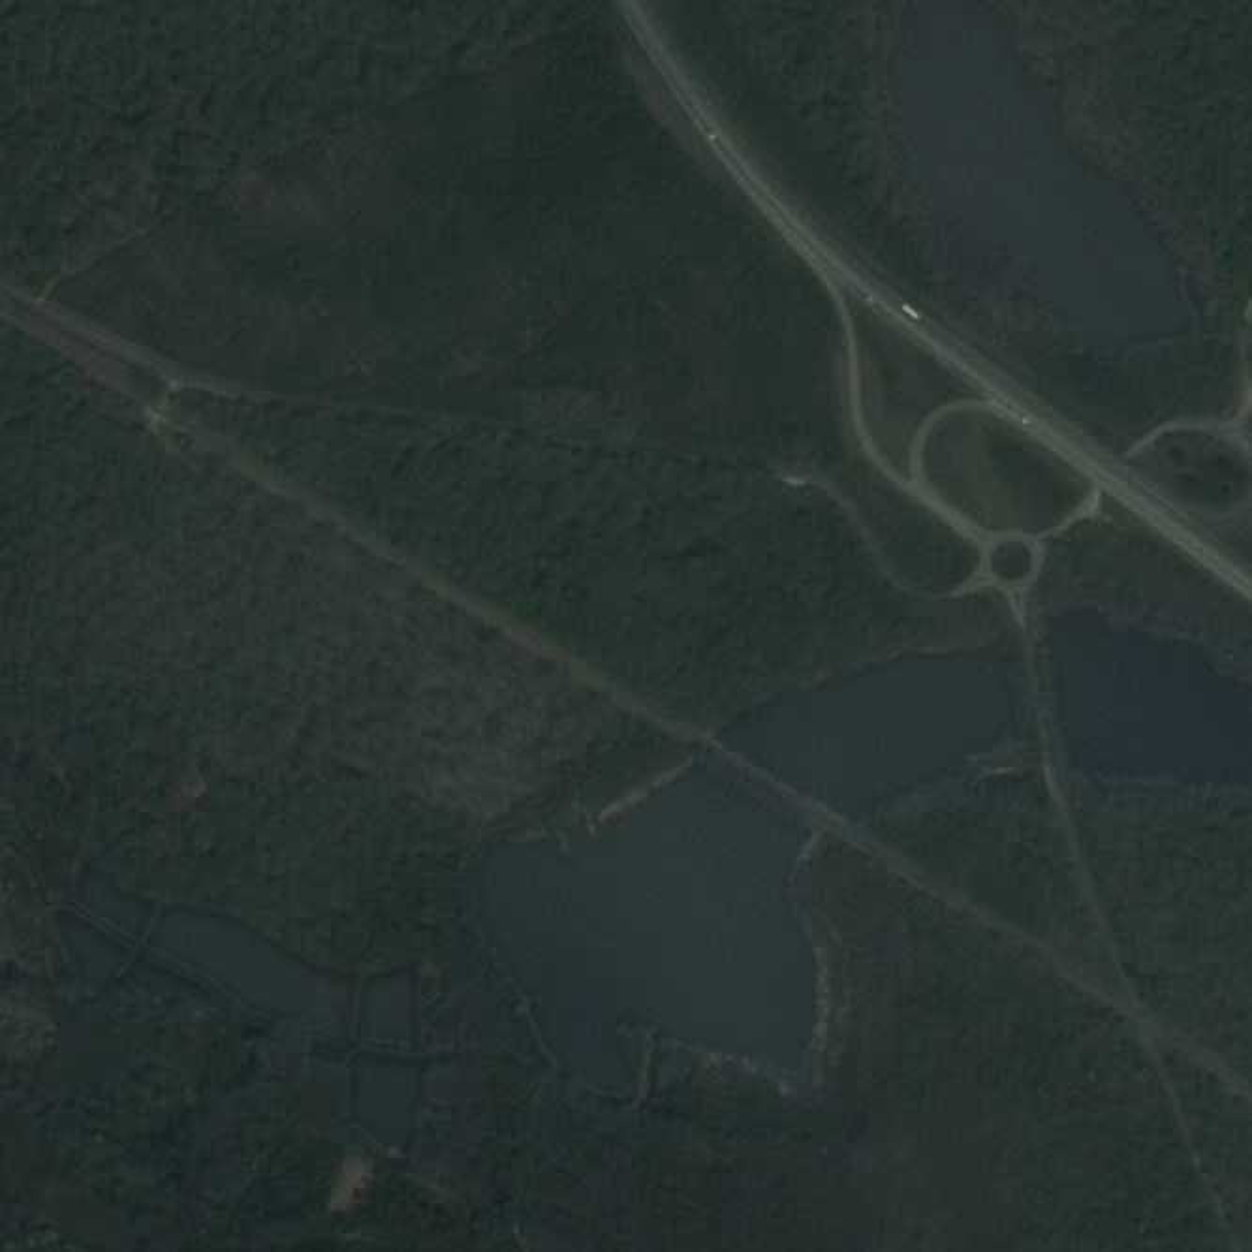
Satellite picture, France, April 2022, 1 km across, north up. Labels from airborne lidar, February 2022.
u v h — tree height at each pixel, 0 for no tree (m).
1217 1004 27
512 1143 24
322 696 25
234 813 19
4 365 26
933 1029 20
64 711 26
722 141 0
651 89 0
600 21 9
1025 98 0
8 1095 21
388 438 25
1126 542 14
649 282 10
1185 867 26
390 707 26
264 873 21
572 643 18
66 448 25
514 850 0
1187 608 0
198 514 24
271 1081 26
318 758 27
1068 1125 25
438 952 16
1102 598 15
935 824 18
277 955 0
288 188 7
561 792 9
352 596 25
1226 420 0
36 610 23
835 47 28
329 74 27
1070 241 0
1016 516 0
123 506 22
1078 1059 24
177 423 0
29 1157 0
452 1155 24
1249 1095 0
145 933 0
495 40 23
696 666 27
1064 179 0
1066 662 0
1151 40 24
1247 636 13
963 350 0
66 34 29
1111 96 26
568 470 27
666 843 0
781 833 0
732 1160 18
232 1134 22
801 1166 14
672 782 0
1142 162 23
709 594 23
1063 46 27
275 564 29
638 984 0
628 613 26
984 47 0
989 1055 21
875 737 0
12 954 0
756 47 26
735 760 0
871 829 19
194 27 27
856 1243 14
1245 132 25
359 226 6
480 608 0
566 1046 0
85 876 0
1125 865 27
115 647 21
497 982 22
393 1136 0
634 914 0
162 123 28
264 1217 17
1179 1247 21
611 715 27
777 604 28
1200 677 0
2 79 27
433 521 22
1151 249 0
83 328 0
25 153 24
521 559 25
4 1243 23
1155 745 0
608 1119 25
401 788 27
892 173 24
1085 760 0
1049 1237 16
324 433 23
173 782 26
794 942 0
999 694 0
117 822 27
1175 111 27
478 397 6
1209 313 17
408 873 23
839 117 24
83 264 23
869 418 0
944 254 10
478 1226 11
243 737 26
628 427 29
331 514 0
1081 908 22
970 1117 18
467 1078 22
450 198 9
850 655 19
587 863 0
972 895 13
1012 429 0
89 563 23
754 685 27
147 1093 30
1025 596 0
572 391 27
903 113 0
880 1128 15
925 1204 18
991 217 0
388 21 27
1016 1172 19
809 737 0
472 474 25
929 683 0
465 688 23
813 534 25
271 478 0
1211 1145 26
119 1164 11
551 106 13
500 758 27
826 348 7
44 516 23
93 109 25
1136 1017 0
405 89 21
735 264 8
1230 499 9
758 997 0
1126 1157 22
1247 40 23
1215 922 25
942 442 0
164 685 21
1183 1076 24
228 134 26
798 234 0
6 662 27
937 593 0
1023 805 26
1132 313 0
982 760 13
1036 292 0
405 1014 0
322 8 28
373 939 26
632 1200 25
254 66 26
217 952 0
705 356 6
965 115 0
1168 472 0
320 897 25
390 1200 5
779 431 7
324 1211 7
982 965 21
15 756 26
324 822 33
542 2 25
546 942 0
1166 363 17
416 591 22
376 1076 0
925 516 0
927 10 0
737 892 0
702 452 0
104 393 15
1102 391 16
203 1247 0
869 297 0
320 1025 0
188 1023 26
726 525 27
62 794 26
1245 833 24
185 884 23
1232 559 0
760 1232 19
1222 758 0
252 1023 0
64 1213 0
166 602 25
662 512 22
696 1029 0
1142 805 20
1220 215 29
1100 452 0
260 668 27
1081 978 0
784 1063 0
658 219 9
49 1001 22
